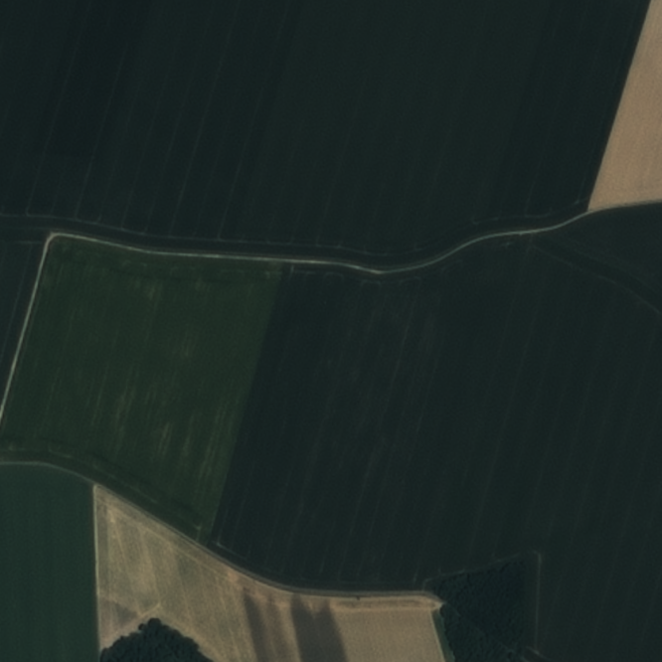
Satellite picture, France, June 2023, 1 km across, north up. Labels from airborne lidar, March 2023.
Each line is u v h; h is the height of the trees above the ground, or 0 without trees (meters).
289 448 0
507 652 20
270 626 0
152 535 0
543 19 0
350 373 0
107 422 0
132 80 0
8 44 0
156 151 0
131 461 0
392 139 0
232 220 0
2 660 0
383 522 0
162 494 0
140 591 0
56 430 0
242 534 0
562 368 0
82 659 0
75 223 0
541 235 0
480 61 0
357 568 0
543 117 0
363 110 0
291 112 0
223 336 0
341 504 0
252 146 0
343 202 0
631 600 0
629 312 0
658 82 0
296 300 0
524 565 13
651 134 0
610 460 0
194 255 0
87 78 0
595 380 0
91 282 0
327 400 0
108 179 0
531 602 0
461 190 0
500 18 0
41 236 0
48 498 0
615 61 0
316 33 0
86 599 0
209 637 0
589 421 0
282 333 0
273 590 0
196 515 0
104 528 0
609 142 0
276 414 0
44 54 0
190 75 0
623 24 0
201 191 0
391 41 0
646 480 0
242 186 0
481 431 0
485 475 0
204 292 0
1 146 0
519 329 0
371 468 0
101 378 0
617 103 0
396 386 0
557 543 0
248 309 0
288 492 0
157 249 0
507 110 0
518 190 0
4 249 0
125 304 0
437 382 0
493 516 0
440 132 0
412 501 0
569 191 0
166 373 0
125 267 0
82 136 0
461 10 0
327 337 0
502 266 0
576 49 0
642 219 0
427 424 0
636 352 0
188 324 0
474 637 19
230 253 0
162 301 0
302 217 0
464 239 0
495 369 0
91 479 0
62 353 0
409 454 0
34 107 0
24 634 0
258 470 0
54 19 0
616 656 0
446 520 0
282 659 0
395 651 0
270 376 0
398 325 0
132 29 0
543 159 0
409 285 0
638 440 0
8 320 0
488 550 0
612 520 0
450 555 0
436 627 0
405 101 0
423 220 0
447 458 0
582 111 0
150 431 0
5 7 0
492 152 0
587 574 0
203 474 0
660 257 0
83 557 0
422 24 0
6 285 0
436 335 0
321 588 0
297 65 0
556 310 0
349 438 0
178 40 0
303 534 0
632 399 0
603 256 0
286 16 0
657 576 0
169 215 0
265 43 0
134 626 0
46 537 0
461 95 0
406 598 0
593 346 0
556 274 0
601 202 0
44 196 0
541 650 0
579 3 0
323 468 0
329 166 0
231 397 0
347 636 0
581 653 0
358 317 0
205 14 0
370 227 0
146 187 0
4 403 0
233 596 0
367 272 0
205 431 0
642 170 0
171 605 0
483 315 0
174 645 15
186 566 0
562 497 0
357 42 0
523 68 0
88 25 0
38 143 0
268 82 0
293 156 0
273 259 0
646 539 0
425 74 0
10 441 0
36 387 0
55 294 0
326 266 0
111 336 0
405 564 0
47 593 0
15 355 0
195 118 0
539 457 0
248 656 0
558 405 0
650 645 0
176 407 0
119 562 0
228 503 0
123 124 0
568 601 0
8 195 0
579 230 0
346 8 0
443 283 0
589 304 0
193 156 0
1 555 0
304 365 0
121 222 0
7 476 0
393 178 0
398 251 0
